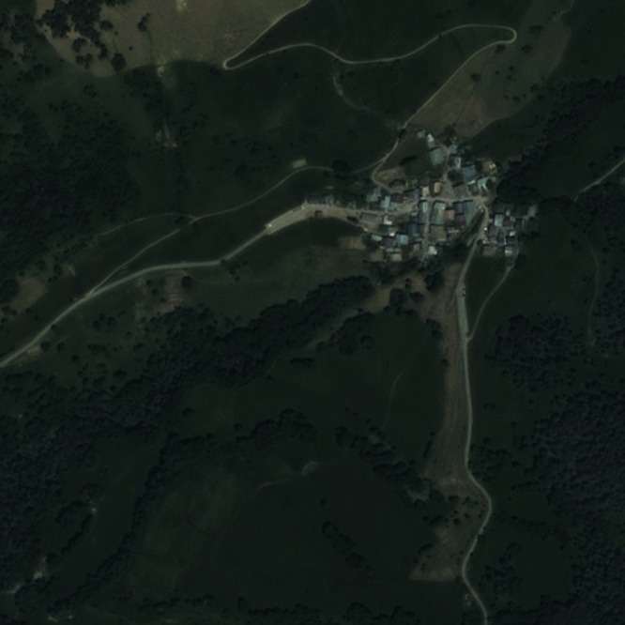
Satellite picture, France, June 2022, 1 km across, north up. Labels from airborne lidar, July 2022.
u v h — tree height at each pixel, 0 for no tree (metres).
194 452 15
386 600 0
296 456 0
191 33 0
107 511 0
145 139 0
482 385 0
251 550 0
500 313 0
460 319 0
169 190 0
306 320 19
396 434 0
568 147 17
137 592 0
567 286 0
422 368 0
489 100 0
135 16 0
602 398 8
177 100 0
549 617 20
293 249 0
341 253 0
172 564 0
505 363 11
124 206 15
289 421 18
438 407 0
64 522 21
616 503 11
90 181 16
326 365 0
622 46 0
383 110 0
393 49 0
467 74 0
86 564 0
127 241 0
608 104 19
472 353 0
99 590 11
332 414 0
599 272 0
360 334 13
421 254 0
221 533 0
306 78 0
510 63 0
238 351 20
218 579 0
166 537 0
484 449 12
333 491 0
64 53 0
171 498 0
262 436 21
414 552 0
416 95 0
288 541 0
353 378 0
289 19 0
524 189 16
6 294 19
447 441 0
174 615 0
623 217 11
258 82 0
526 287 0
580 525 20
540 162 21
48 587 7
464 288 0
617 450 16
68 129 12
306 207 0
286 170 0
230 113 0
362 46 0
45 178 18
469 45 0
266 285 0
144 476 0
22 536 21
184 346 20
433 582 0
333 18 0
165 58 0
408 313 13
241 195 0
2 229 11
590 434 14
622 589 24
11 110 14
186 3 0
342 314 7
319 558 0
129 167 0
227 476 0
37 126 12
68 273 0
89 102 0
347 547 17
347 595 0
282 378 0
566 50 0
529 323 13
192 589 0
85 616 0
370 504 0
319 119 0
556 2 0
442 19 12
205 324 23
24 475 25
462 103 0
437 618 0
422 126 0
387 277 8
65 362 0
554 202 11
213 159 0
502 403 0
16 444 23
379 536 0
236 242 0
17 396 16
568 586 0
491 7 0
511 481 0
